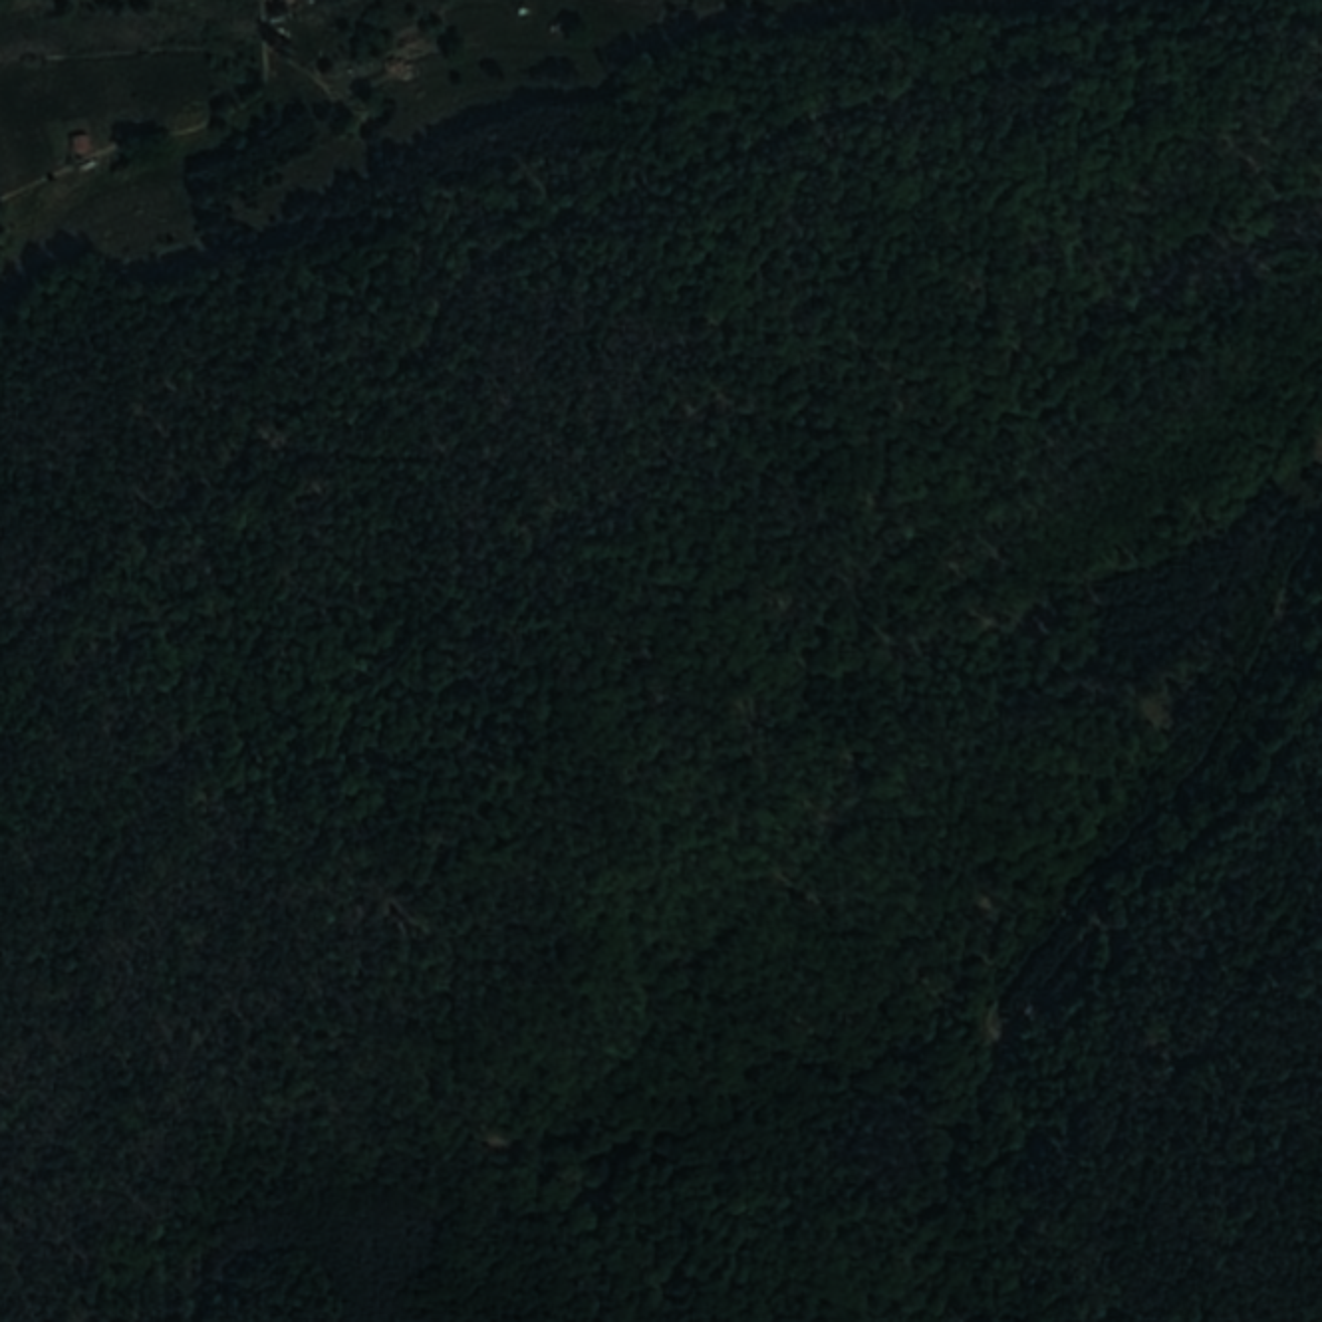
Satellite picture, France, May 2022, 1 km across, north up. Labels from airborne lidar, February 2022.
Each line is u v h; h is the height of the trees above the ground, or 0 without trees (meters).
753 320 24
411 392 28
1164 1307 25
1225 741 13
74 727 22
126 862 23
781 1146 27
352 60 8
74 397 28
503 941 22
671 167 28
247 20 0
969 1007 34
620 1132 33
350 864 24
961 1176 25
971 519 26
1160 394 29
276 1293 28
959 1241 36
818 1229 26
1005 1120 32
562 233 30
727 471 25
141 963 23
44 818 23
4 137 0
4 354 31
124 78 0
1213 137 24
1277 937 13
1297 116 23
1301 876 31
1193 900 33
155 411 31
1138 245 25
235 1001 25
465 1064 25
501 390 29
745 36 31
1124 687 25
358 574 27
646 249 33
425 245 28
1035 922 14
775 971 29
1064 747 30
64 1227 23
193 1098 23
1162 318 29
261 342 32
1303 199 39
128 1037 27
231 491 31
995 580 26
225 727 25
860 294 27
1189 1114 29
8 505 29
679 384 25
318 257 28
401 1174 24
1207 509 30
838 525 23
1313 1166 25
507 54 0
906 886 31
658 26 0
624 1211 36
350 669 24
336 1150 24
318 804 25
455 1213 25
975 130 30
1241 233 36
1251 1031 29
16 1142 24
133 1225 23
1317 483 14
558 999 26
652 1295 32
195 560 25
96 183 0
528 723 27
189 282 32
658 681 25
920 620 28
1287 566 15
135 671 24
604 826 23
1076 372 31
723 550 25
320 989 27
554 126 23
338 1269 17
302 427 30
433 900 22
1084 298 25
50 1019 20
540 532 28
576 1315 27
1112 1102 30
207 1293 13
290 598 31
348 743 31
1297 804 29
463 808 27
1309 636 34
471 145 20
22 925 23
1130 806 20
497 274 26
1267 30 31
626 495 24
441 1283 24
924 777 25
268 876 21
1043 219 28
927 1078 34
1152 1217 28
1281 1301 23
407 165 21
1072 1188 34
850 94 27
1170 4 31
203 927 24
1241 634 13
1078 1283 25
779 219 27
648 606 29
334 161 0
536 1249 30
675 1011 30
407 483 26
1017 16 31
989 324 28
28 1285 26
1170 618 13
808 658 32
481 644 24
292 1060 23
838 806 21
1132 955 33
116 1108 25
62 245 0
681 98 34
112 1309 17
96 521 28
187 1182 22
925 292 30
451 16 0
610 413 28
